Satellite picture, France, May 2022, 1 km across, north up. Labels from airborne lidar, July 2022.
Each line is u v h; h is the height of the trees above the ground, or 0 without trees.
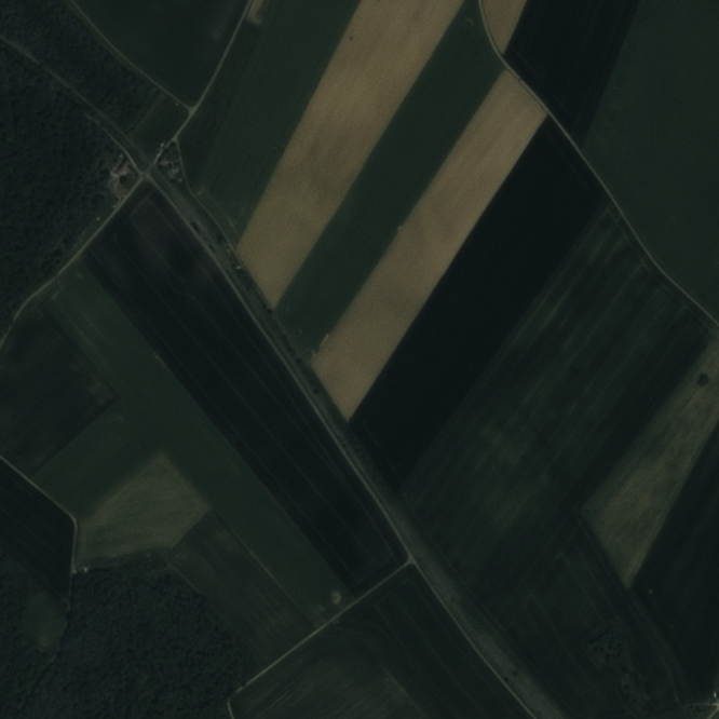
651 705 0
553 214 0
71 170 23
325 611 0
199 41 0
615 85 0
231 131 0
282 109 0
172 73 0
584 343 0
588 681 0
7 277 17
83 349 0
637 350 0
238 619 0
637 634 0
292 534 0
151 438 0
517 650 0
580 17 0
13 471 0
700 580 0
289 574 0
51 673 14
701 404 0
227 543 0
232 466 0
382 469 0
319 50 0
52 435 0
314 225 0
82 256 0
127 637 14
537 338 0
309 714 0
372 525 0
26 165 26
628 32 0
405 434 0
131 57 0
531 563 0
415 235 0
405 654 0
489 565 0
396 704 0
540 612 0
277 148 0
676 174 0
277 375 0
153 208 0
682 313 0
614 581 0
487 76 0
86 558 0
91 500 0
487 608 0
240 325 0
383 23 0
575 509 0
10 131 25
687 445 0
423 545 0
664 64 0
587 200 0
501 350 0
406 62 0
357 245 0
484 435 0
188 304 0
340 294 0
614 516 0
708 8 0
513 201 0
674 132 0
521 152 0
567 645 0
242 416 0
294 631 0
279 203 0
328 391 0
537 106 0
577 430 0
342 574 0
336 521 0
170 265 0
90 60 16
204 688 27
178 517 0
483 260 0
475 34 0
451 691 0
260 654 0
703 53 0
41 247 24
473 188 0
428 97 0
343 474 0
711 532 0
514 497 0
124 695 22
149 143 0
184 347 0
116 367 0
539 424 0
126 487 0
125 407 0
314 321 0
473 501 0
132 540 0
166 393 0
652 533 0
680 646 0
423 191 0
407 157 0
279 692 0
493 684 0
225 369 0
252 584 0
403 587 0
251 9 0
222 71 0
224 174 0
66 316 0
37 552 0
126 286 0
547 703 0
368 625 0
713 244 0
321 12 0
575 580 0
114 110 19
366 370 0
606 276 0
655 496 0
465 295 0
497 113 0
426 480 0
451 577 0
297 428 0
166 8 0
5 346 0
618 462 0
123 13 0
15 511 0
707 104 0
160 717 21
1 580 16
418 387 0
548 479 0
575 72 0
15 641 13
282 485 0
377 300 0
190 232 0
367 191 0
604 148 0
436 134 0
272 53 0
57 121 27
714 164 0
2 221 23
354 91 0
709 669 0
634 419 0
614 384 0
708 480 0
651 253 0
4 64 26
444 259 0
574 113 0
